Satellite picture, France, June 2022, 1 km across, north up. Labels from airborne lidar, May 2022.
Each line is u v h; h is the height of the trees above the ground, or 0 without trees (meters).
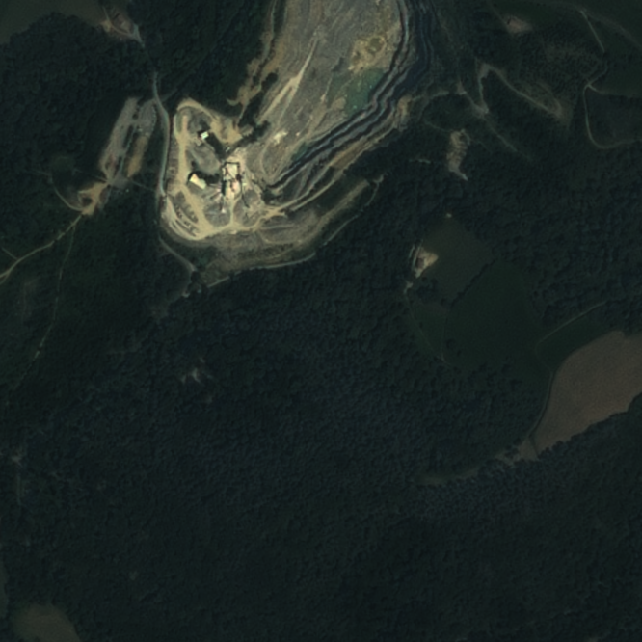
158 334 23
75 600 24
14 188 10
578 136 6
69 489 37
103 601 25
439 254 0
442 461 18
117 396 32
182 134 0
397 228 15
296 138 0
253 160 0
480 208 22
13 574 18
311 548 12
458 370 11
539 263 17
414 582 24
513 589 18
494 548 17
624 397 0
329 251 16
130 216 28
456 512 20
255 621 17
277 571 18
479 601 8
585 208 16
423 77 10
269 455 21
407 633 31
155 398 24
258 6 19
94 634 22
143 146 0
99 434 26
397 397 20
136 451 24
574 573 15
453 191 19
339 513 22
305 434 25
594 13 0
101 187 0
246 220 0
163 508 19
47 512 42
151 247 28
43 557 18
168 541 24
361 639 21
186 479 17
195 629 27
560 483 25
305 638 24
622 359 0
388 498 18
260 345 31
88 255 7
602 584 35
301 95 0
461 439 13
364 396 31
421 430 19
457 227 0
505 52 32
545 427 0
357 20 0
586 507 26
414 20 0
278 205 0
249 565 20
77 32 24
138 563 28
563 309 15
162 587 30
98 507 29
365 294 8
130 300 11
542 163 10
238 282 21
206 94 12
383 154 15
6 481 28
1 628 17
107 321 12
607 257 24
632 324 15
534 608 11
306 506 21
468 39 6
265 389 29
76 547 24
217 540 16
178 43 10
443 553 13
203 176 11
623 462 27
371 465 18
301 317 25
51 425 25
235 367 32
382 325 15
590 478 12
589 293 14
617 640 21
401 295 7
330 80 0
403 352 7
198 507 19
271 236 0
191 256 6
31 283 0
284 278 21
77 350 10
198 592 26
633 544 32
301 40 0
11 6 0
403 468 25
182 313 24
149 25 12
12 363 8
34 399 14
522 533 16
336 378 20
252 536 16
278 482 19
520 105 11
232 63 11
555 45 6
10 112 28
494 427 7
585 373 0
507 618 30
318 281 15
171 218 0
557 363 0
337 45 0
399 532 32
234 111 8
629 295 17
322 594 21
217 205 0
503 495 23
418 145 20
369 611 36
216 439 24
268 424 29
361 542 21
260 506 20
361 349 27
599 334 0
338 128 0
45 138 23
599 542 18
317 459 22
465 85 7
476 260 0
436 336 0
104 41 20
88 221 8
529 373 0
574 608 30
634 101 8
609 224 8
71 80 24
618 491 19
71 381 31
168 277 27
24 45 22
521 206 8
